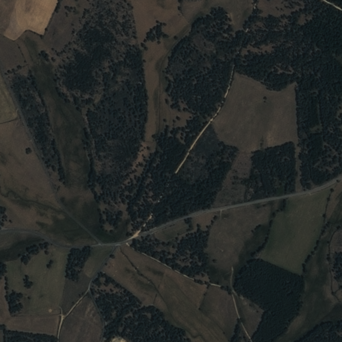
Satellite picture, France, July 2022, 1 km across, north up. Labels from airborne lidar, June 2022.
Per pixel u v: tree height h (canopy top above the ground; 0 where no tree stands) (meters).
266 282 13
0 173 0
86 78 6
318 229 0
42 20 0
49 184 0
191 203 16
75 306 0
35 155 0
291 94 0
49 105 0
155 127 0
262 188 9
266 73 9
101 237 0
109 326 15
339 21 17
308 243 0
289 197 0
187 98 14
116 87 0
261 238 0
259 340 16
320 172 18
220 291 0
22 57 0
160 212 16
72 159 0
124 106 9
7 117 0
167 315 0
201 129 8
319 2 22
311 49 24
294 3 18
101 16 7
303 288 21
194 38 0
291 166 14
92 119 16
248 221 0
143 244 16
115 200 9
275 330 16
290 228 0
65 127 0
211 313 0
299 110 21
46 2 0
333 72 20
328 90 19
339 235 0
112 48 9
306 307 0
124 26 11
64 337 0
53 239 0
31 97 9
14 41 0
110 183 14
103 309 11
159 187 18
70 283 0
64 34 0
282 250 0
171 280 0
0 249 0
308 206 0
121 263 0
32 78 15
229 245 0
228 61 7
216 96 17
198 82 16
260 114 0
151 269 0
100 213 9
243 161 0
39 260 0
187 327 0
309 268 0
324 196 0
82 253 20
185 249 23
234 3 0
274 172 8
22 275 0
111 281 18
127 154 6
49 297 0
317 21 18
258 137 0
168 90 16
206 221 0
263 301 18
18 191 0
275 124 0
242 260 0
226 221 0
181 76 14
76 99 18
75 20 0
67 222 0
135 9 0
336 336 21
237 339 22
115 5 0
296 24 22
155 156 19
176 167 12
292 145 18
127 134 12
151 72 0
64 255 0
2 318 0
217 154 7
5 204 0
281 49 19
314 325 0
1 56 0
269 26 19
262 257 0
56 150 19
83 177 0
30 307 0
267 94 0
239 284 18
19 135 0
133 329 18
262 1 0
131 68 13
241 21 0
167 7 0
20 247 0
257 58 21
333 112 20
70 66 7
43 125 9
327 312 0
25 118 0
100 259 0
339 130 16
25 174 0
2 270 17
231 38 17
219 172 7
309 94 20
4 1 0
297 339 0
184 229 0
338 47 29
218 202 0
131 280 0
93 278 0
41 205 0
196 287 0
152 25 0
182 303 0
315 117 18
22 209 0
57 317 0
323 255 0
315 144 20
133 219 14
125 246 0
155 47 0
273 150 14
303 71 19
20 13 0
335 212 0
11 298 12
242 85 0
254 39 19
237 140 0
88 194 0
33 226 0
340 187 0
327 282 0
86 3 0
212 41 9
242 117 0
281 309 20
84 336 0
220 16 17
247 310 0
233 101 0
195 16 0
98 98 0
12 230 0
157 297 0
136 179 17
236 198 0
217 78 16
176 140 16
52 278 0
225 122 0
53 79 0
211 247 0
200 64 9
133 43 0
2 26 0
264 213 0
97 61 7
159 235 0
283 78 25
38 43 0
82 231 0
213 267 0
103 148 17
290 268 0
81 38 10
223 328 0
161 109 0
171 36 0
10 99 0
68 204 0
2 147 0
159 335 14
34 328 0
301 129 22
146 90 10
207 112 22
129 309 16
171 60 13
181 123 0
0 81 0
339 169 15
